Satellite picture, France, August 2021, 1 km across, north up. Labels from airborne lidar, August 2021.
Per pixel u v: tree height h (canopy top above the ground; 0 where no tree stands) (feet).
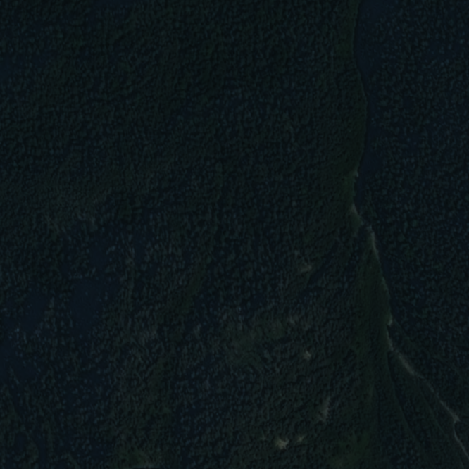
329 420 26
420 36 90
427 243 98
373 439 19
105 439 48
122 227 89
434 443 24
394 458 30
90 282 79
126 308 90
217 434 93
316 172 106
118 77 58
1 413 84
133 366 31
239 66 51
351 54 82
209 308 53
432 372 47
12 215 61
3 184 73
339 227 66
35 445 30
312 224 107
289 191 94
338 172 66
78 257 65
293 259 77
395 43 26
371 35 47
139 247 70
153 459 56
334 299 71
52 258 44
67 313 60
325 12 87
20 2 76
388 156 86
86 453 75
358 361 44
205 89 83
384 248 20
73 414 49
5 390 26
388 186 92
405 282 51
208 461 59
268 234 58
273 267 42
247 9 77
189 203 85
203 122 66
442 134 61
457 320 80
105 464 48
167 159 72
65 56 61
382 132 59
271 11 68
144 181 60
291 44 77
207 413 84
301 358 76
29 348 74
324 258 68
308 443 25
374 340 49
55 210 37
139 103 59
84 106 78
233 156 73
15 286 22
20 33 54
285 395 51
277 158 104
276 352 109
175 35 57
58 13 72
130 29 70
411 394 35
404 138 30
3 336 71
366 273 28
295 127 41
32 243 62
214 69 52
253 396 97
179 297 92
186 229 55
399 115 81
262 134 74
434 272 58
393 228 96
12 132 73
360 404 33
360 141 71
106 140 58
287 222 71
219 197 75
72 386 48
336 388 101
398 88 63
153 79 45
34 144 73
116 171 73
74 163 47
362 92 74
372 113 70
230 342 47
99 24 89
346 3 55
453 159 83
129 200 49
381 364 24
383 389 26
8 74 51
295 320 74
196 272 104
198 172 86
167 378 20
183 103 92
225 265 68
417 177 82
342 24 85
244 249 86
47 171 79
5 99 66
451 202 91
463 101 86
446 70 45
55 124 64
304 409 66
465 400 47
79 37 73
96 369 59
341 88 80
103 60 57
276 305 77
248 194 85
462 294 41
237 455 36
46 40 56
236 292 55
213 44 68
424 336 60
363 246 32
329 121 90
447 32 60
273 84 82
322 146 102
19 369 44
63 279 78
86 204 45
